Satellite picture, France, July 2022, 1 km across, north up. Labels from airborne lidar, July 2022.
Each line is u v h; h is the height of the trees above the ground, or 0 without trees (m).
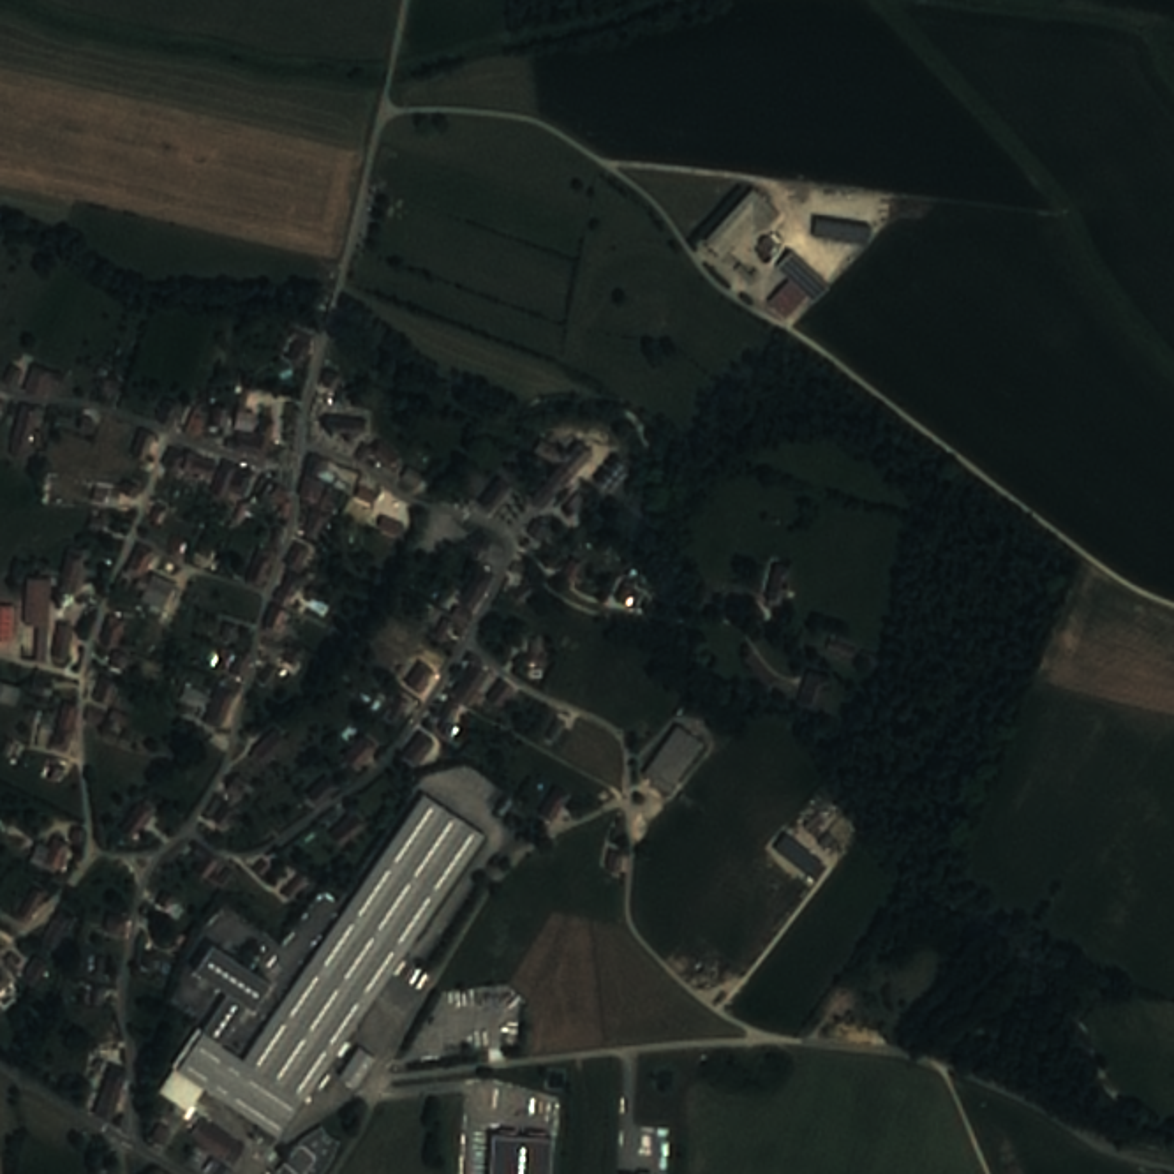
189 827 0
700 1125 0
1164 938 0
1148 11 0
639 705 0
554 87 0
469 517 0
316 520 0
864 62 0
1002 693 20
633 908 0
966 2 0
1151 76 0
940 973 6
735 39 0
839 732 9
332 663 20
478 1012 0
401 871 0
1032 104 0
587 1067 0
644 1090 0
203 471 0
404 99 0
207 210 0
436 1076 0
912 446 7
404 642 0
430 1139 10
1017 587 16
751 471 7
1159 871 0
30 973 0
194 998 0
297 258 0
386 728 6
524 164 0
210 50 0
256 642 0
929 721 26
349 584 16
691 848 0
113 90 0
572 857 0
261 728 8
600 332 0
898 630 20
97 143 0
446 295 0
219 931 0
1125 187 0
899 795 21
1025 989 9
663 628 17
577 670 0
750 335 0
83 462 0
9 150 0
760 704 8
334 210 0
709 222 6
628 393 0
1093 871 0
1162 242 0
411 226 0
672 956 0
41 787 0
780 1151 0
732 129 0
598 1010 0
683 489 23
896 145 0
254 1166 0
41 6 0
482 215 0
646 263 0
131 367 8
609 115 0
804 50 0
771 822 0
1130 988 22
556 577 8
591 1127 0
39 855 0
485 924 0
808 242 0
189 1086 0
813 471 0
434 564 12
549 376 0
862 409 8
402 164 0
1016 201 0
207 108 0
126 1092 0
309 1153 0
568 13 21
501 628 8
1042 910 10
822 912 0
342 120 0
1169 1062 0
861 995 0
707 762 0
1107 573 0
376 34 0
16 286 0
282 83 0
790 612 25
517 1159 0
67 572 0
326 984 0
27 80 0
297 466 0
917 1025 11
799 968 0
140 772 0
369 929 0
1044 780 0
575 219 0
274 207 0
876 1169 0
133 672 7
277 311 18
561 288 0
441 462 7
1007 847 0
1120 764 0
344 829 0
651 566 19
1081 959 25
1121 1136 5
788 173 0
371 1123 0
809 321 0
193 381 0
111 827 11
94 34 0
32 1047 26
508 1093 0
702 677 17
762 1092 0
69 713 0
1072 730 0
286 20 0
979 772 27
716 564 0
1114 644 0
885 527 0
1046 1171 0
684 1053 0
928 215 0
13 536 0
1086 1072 24
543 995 0
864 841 17
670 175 0
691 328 0
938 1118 0
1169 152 0
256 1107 0
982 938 22
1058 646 0
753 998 0
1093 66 0
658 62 0
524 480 13
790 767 0
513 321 0
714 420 15
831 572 0
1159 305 0
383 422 0
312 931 0
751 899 0
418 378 15
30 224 14
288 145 0
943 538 8
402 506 0
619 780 0
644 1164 0
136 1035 7
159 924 20
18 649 0
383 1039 0
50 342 0
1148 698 0
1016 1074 13
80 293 0
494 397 18
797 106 0
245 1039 0
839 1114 0
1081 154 0
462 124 0
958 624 19
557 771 0
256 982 0
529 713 5
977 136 0
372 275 0
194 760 18
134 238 0
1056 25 0
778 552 0
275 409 0
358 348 33
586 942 0
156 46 0
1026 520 19
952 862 24
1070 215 0
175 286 12
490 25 0
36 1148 0
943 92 0
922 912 17
